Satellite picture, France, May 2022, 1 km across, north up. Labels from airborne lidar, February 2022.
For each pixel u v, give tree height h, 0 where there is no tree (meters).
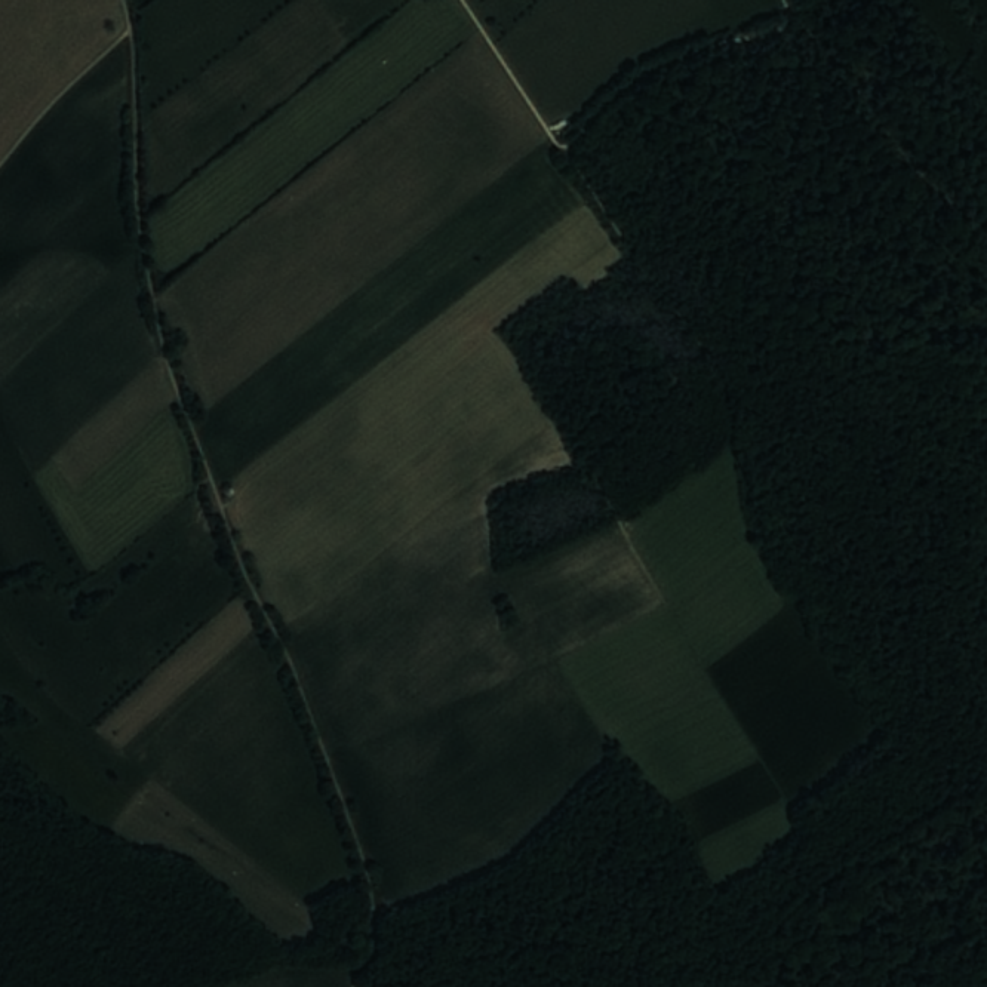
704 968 24
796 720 0
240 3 0
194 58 0
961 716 22
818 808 17
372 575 0
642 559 0
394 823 0
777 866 17
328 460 0
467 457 0
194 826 0
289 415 0
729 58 25
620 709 0
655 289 17
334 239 0
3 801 16
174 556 0
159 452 0
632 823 21
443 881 0
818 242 26
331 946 15
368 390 0
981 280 31
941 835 11
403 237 0
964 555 28
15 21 0
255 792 0
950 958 26
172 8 0
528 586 0
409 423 0
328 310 0
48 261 0
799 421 22
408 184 0
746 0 0
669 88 20
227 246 0
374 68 0
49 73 0
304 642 0
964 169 29
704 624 0
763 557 11
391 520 0
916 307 32
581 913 23
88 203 0
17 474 0
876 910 13
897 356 30
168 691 0
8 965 19
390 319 0
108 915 16
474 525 0
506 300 0
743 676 0
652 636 0
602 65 0
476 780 0
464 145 0
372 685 0
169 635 0
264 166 0
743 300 26
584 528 12
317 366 0
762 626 0
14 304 0
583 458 18
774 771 0
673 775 0
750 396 20
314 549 0
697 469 10
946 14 0
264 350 0
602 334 22
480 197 0
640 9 0
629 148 11
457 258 0
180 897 18
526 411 0
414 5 0
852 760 18
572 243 0
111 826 0
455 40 0
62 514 0
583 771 0
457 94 0
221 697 0
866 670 18
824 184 26
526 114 0
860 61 28
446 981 23
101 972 20
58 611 0
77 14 0
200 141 0
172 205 0
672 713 0
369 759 0
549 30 0
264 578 0
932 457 25
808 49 17
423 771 0
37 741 0
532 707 0
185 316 0
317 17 0
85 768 0
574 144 15
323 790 11
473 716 0
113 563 0
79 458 0
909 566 25
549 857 21
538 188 0
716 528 0
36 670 0
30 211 0
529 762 0
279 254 0
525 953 23
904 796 20
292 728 0
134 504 0
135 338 0
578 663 0
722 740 0
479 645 0
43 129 0
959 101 31
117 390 0
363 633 0
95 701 0
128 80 0
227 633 0
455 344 0
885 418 25
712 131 25
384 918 15
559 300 13
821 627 16
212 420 0
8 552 0
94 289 0
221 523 12
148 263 14
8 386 0
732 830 0
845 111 29
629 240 12
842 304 27
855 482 27
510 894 19
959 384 31
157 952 20
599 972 26
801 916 23
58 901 16
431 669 0
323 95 0
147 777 0
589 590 0
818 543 21
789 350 21
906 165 27
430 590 0
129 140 9
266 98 0
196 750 0
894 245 29
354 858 9
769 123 26
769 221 25
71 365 0
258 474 0
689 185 20
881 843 25
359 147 0
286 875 0
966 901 28
